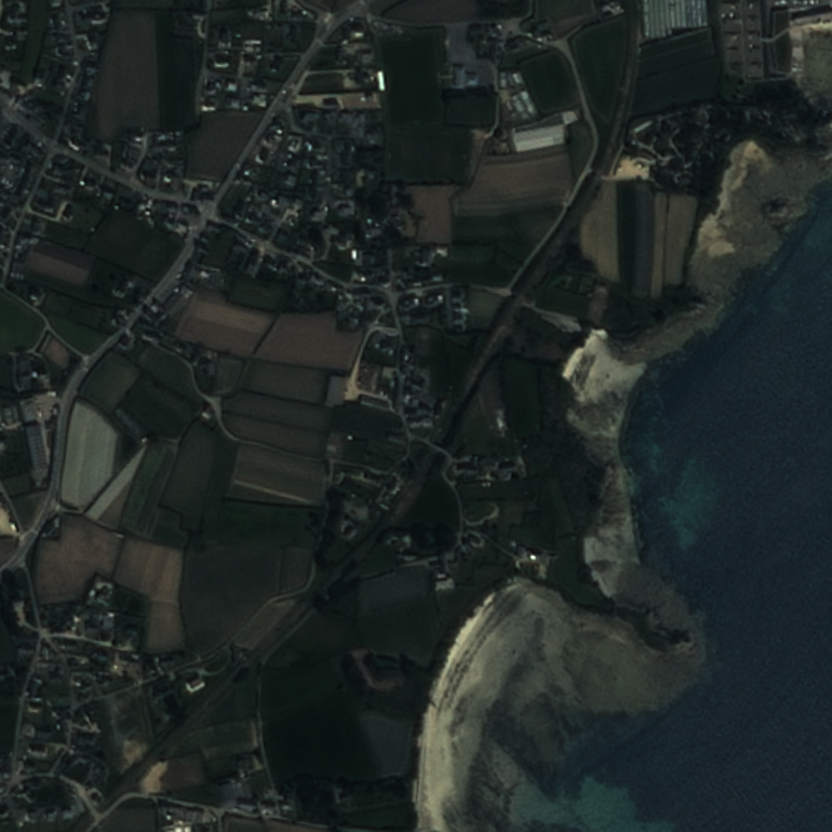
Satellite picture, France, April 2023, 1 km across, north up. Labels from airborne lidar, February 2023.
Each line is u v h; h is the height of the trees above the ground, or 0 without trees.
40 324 0
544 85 0
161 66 0
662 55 0
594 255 0
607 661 0
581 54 0
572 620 0
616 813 0
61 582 0
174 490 0
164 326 7
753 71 0
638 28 0
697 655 0
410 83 0
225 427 0
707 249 0
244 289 0
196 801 0
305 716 0
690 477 0
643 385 0
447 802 0
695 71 0
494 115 0
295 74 0
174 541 0
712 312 0
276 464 0
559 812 0
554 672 0
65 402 0
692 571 0
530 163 0
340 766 0
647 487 0
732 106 6
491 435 0
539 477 0
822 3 0
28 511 0
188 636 0
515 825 0
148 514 0
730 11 0
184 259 0
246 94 0
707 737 0
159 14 0
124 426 0
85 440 0
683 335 0
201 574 0
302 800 18
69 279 0
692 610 0
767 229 0
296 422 0
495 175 0
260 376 0
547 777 0
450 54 0
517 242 0
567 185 0
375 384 0
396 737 0
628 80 0
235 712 0
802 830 0
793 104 8
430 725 0
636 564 0
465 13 0
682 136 11
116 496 0
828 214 0
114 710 0
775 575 0
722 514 0
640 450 0
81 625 0
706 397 0
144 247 0
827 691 0
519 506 0
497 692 0
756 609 0
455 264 0
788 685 0
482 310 0
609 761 0
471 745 0
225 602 0
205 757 0
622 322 0
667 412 0
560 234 0
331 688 0
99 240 0
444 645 8
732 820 0
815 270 0
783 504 0
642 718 0
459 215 0
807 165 0
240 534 0
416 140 0
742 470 0
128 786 0
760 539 0
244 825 0
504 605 0
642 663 0
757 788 0
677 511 0
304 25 0
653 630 0
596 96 0
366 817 0
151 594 0
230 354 7
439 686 0
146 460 0
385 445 0
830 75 0
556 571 0
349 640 0
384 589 0
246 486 0
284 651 0
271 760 0
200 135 0
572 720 0
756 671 0
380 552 0
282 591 0
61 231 0
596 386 0
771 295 0
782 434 0
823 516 0
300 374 0
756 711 0
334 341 0
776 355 0
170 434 0
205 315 0
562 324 0
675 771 0
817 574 0
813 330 0
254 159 0
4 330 0
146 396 0
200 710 0
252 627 0
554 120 0
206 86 0
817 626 0
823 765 0
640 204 0
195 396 0
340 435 0
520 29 0
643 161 0
